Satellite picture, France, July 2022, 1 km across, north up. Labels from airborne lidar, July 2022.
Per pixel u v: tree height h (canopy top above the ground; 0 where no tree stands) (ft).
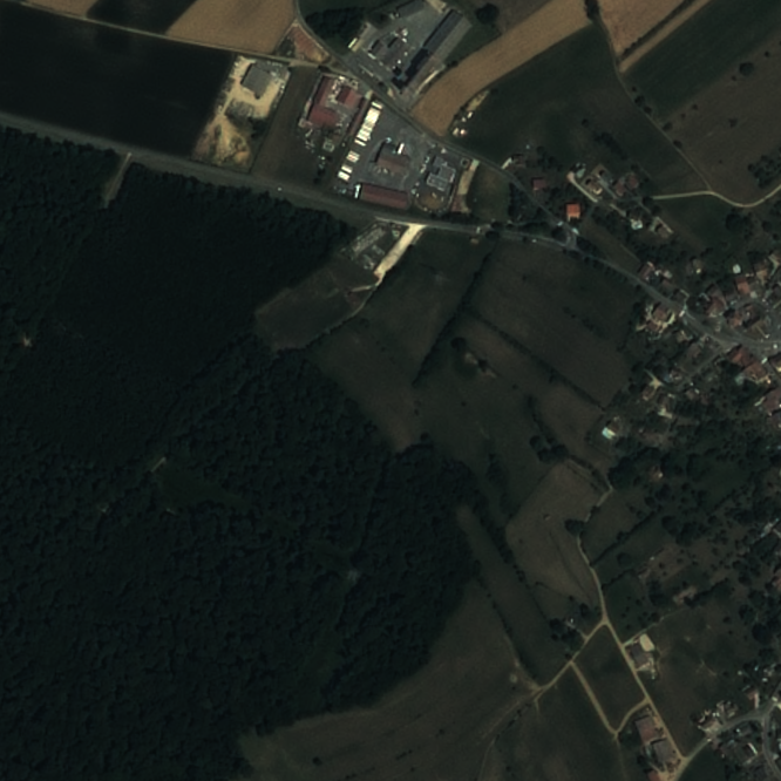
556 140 0
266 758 0
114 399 43
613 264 0
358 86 0
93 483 26
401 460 60
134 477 70
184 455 92
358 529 74
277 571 106
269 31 0
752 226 25
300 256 46
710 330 0
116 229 68
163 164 0
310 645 82
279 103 0
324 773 0
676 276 0
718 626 0
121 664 94
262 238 41
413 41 0
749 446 29
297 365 70
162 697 79
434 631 69
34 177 86
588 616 42
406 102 0
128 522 71
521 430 0
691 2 0
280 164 0
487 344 0
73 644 58
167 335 43
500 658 0
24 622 61
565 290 0
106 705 55
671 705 0
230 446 94
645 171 0
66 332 44
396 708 0
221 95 0
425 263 0
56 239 79
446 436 0
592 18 26
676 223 0
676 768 0
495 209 0
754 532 20
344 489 86
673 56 0
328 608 91
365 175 0
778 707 0
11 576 76
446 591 85
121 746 83
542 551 0
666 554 0
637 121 0
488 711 0
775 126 0
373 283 0
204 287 44
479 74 0
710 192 0
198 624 84
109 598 75
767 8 0
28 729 80
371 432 80
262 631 85
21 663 98
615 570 0
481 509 67
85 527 91
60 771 77
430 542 79
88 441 45
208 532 77
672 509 0
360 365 0
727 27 0
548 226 26
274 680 85
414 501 75
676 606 0
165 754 83
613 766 0
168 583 90
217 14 0
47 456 64
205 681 93
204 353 50
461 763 0
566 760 0
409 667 65
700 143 0
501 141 0
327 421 74
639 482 37
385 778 0
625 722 0
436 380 0
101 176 81
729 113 0
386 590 81
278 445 26
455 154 0
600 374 0
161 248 47
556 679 0
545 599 0
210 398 66
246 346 70
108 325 44
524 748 0
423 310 0
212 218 35
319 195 0
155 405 45
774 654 29
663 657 0
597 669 0
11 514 85
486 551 0
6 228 68
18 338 82
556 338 0
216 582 86
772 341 0
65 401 36
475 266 0
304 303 0
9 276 74
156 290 44
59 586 74
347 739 0
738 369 30
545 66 0
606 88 0
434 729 0
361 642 101
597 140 30
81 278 48
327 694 76
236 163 0
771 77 0
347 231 79
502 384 0
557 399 0
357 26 32
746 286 0
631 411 0
